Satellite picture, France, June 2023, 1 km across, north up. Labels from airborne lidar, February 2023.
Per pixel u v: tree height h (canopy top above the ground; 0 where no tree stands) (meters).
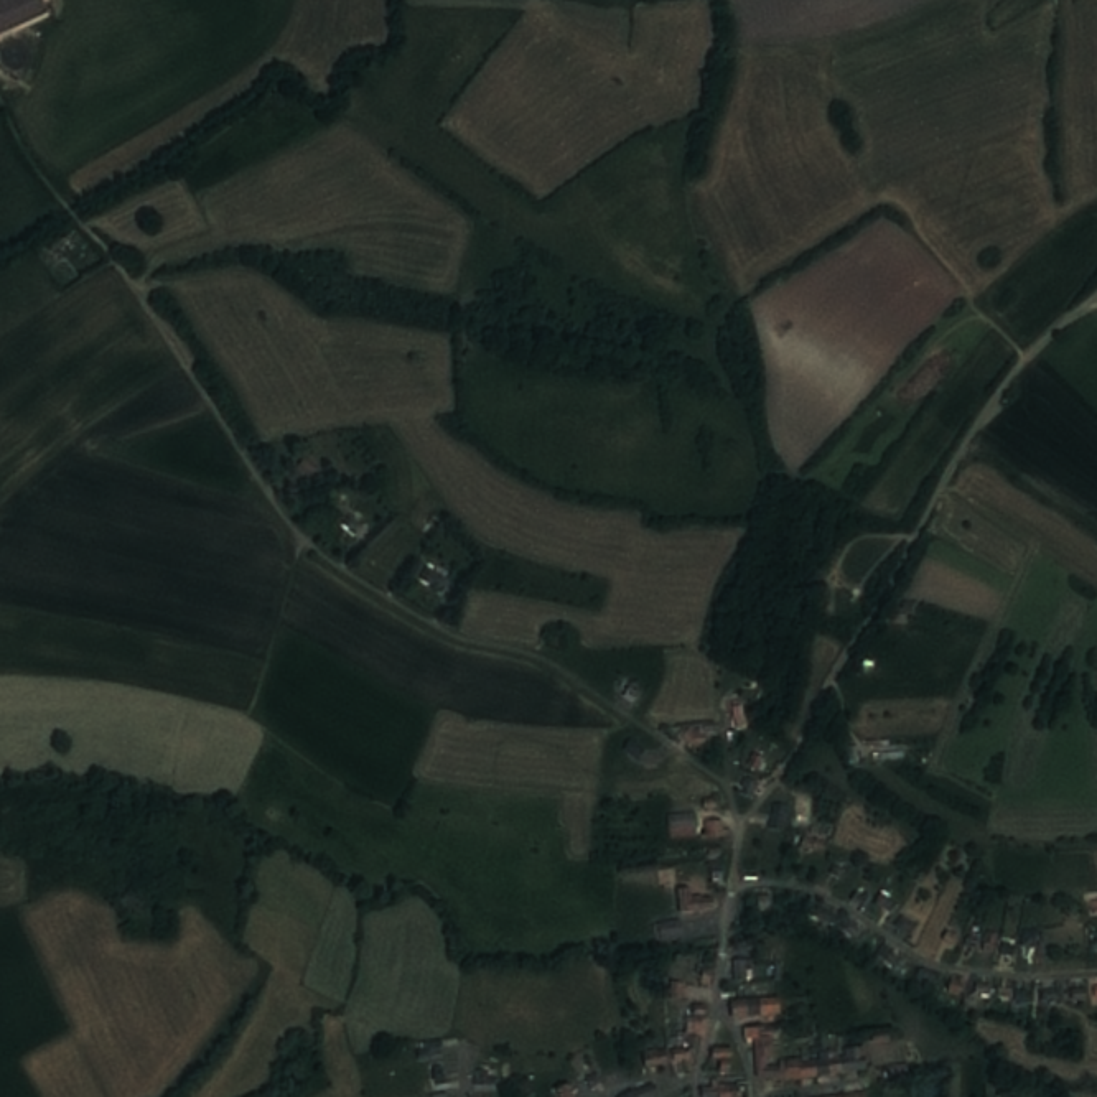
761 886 0
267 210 0
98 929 0
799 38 0
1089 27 0
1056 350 0
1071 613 0
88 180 0
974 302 0
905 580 14
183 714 0
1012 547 0
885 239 0
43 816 6
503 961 14
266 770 0
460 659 0
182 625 0
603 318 9
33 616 0
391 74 0
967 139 0
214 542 0
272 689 0
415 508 0
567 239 0
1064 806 0
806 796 0
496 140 0
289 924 0
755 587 9
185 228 0
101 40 0
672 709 0
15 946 0
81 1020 0
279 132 0
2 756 0
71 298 0
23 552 0
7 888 0
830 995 0
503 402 0
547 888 0
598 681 0
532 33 0
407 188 0
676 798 0
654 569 0
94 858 6
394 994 0
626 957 19
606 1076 0
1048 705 7
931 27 0
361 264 0
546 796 0
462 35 0
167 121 0
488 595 0
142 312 0
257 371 0
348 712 0
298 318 0
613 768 0
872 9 0
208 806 6
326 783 0
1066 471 0
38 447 0
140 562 0
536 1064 0
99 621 0
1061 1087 17
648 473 0
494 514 0
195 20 0
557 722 0
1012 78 0
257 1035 0
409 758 0
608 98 0
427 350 0
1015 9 0
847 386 0
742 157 0
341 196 0
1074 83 0
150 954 0
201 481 0
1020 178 0
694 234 0
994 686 6
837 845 0
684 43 0
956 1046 0
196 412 0
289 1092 13
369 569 0
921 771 8
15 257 18
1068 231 0
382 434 0
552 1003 0
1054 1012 8
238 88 0
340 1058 0
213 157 0
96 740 0
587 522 0
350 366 0
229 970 0
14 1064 0
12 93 0
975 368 0
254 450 11
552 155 0
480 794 0
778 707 8
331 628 0
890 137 0
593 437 0
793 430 0
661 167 0
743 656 16
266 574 0
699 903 0
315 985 0
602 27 0
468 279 0
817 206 0
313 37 0
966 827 0
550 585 0
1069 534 0
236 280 0
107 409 0
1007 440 0
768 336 0
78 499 0
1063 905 11
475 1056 0
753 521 14
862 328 0
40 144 0
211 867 0
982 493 0
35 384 0
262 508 0
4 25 0
